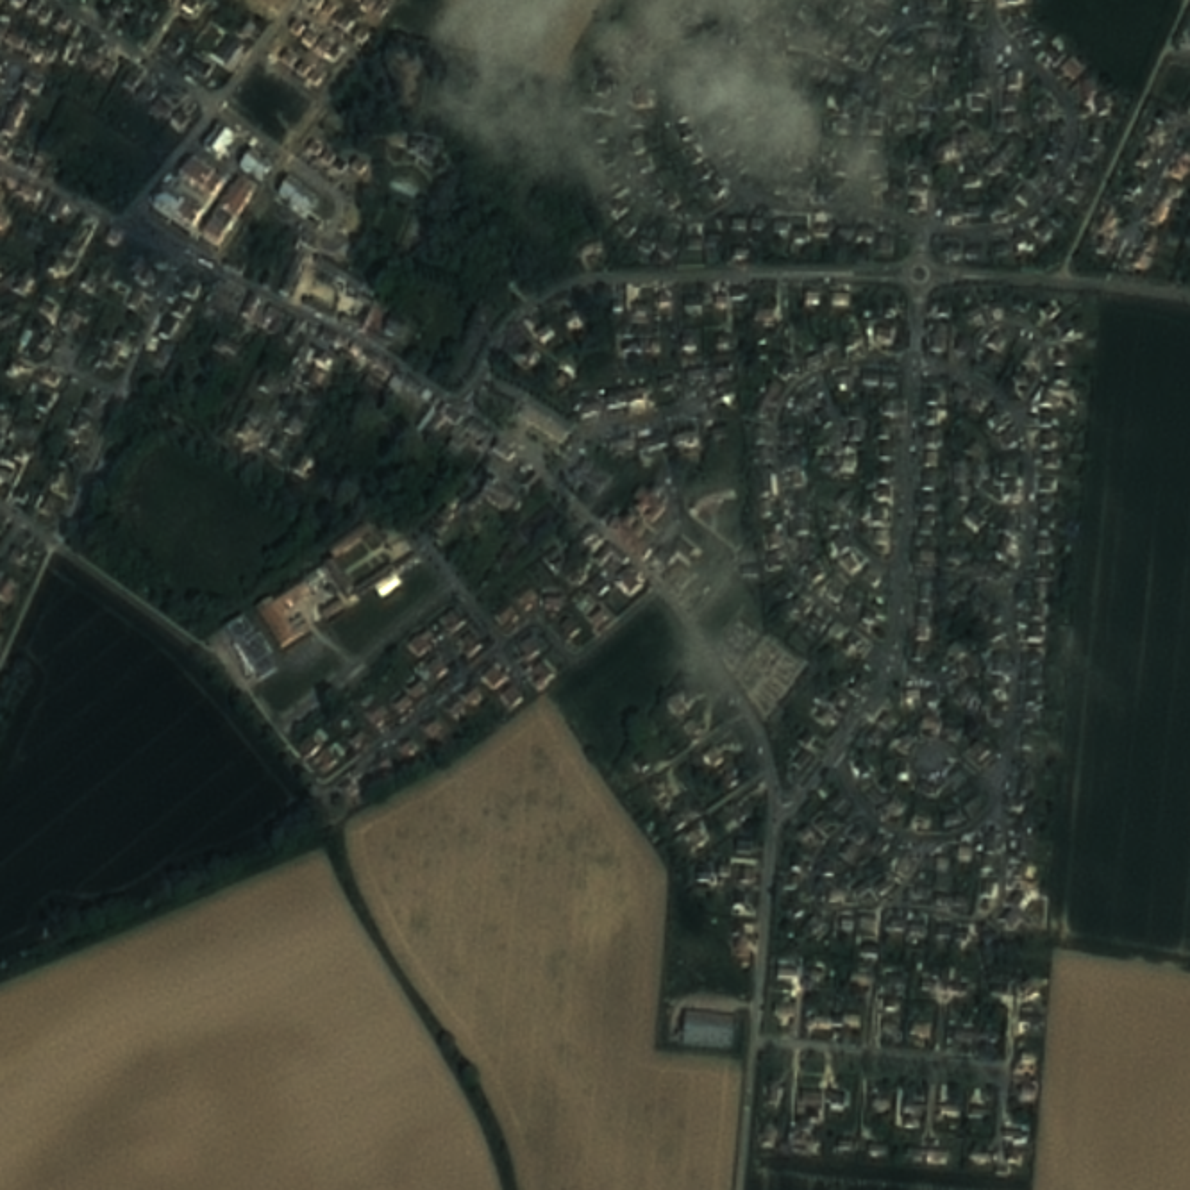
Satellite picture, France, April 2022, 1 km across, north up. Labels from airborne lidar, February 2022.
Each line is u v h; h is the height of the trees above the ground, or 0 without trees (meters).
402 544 0
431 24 0
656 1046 0
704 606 0
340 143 18
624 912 0
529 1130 0
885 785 7
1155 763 0
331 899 0
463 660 8
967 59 7
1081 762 0
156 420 8
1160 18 0
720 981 0
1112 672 0
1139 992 0
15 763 0
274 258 13
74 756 0
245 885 0
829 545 6
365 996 0
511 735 0
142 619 0
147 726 0
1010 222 0
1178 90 0
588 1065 0
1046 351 0
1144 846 0
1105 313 0
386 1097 0
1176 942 0
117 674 0
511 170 18
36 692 0
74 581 0
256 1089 0
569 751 0
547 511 0
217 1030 0
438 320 0
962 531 7
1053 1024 0
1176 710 0
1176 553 0
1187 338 0
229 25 5
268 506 14
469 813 0
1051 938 0
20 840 0
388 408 23
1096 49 0
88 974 0
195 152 0
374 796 21
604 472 0
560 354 9
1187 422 0
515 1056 0
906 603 0
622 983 0
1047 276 0
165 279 0
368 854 0
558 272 18
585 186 21
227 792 0
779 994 0
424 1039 0
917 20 0
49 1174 0
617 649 0
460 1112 0
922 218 0
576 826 0
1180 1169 0
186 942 0
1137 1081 0
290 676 0
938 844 0
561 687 0
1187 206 12
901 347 9
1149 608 0
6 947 0
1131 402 0
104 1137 0
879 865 8
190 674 0
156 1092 0
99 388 0
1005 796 0
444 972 0
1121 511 0
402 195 0
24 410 10
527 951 0
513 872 0
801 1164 0
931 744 0
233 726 0
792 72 0
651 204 0
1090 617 0
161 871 0
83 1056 0
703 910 8
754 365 15
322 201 0
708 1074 0
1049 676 6
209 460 23
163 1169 0
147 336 0
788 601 6
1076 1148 0
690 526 11
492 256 18
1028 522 0
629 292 0
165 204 0
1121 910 0
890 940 12
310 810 20
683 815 11
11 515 0
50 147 10
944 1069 10
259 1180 0
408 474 23
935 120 11
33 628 0
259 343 8
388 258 14
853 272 0
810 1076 0
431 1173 0
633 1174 0
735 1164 0
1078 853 0
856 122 0
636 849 0
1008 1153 6
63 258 0
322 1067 0
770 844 0
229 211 0
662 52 0
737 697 0
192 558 0
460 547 12
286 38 0
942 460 0
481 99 24
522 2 0
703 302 0
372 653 0
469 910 0
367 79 13
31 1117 0
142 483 0
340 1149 0
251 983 0
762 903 0
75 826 0
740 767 9
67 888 0
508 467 0
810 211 0
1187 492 0
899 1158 10
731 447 7
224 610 19
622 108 0
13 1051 0
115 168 9
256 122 0
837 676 8
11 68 0
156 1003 0
